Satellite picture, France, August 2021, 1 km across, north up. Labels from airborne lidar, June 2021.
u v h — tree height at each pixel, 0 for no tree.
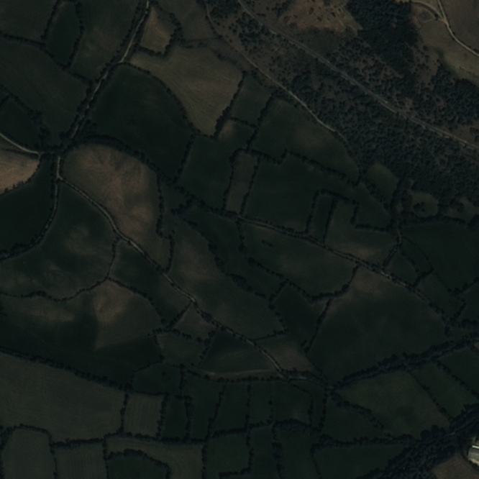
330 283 0
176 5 0
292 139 0
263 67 0
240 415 0
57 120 0
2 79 0
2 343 0
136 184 0
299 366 0
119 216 0
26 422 0
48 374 0
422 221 14
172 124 0
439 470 0
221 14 6
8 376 0
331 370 0
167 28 0
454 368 0
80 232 0
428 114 7
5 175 0
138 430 0
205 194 0
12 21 0
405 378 0
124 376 0
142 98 0
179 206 0
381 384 0
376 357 0
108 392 0
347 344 0
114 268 0
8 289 0
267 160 18
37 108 0
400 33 9
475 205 11
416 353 0
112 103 0
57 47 0
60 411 0
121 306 0
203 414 0
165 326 9
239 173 0
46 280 0
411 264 7
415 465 12
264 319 0
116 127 0
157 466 10
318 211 0
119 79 0
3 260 10
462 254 0
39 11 0
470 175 9
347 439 0
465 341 11
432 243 0
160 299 0
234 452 0
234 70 0
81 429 0
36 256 0
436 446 9
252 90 0
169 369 0
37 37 0
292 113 0
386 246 0
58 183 9
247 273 0
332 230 0
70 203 0
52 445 9
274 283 0
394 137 15
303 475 0
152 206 0
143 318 0
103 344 0
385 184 0
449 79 12
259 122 9
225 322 0
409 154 17
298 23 0
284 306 0
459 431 14
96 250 0
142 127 0
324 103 12
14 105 0
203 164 0
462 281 0
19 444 0
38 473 0
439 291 0
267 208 0
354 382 14
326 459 0
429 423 0
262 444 0
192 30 0
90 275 0
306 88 13
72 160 0
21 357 13
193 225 14
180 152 0
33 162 0
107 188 0
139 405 0
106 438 8
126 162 0
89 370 0
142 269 0
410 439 14
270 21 0
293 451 0
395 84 6
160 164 0
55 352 0
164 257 0
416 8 0
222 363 0
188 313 0
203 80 0
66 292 0
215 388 0
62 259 0
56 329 0
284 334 10
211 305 0
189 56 0
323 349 0
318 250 0
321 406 0
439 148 8
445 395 0
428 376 0
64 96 0
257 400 0
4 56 0
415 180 17
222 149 0
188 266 0
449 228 0
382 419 0
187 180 0
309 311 0
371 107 12
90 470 0
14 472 0
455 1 0
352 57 6
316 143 0
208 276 0
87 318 0
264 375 0
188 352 0
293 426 16
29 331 0
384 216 0
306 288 0
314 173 0
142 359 0
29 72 0
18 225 0
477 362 0
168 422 0
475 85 11
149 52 11
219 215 9
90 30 0
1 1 0
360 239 0
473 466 12
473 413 14
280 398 0
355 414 0
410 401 0
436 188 14
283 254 0
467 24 0
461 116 10
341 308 0
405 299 0
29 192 0
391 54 10
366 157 7
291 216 0
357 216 11
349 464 0
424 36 0
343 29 0
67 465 0
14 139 9
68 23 0
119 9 0
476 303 0
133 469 0
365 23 12
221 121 14
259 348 7
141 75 0
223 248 0
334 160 0
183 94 0
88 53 0
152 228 0
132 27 6
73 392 0
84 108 10
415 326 0
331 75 9
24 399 0
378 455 0
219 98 0
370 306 0
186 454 0
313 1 7
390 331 0
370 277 0
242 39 7
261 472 0
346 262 0
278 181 0
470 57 0
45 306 0
